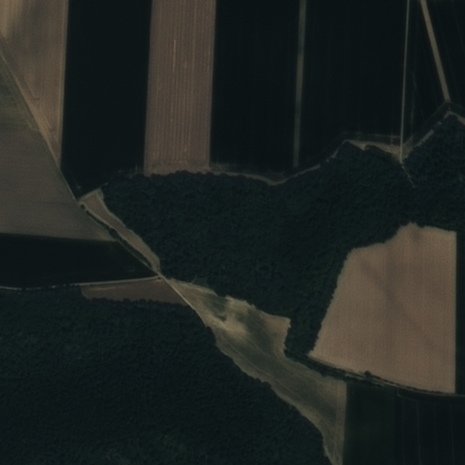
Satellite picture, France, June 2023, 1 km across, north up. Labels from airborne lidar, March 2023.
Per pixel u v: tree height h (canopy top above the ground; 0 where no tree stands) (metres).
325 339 0
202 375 19
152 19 0
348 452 0
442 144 10
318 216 17
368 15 0
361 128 0
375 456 0
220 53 0
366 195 19
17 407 18
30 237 0
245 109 0
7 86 0
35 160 0
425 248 0
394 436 0
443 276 0
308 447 21
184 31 0
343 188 15
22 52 0
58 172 0
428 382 0
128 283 0
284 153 0
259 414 20
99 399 15
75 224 0
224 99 0
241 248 21
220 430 19
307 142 0
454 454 0
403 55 0
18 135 0
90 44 0
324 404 0
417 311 0
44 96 0
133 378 18
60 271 0
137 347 19
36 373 15
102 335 14
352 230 23
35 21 0
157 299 0
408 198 12
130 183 17
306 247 18
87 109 0
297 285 22
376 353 0
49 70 0
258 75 0
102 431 16
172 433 13
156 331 25
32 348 17
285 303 19
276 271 17
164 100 0
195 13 0
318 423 0
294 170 0
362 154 21
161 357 21
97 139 0
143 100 0
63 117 0
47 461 19
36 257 0
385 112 0
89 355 13
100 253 0
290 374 0
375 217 24
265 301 20
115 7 0
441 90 0
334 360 0
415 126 0
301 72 0
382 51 0
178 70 0
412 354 0
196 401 16
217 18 0
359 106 0
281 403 16
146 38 0
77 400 18
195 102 0
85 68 0
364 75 0
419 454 0
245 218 20
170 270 16
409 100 0
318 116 0
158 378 20
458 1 0
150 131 0
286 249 15
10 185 0
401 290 0
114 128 0
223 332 0
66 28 0
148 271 0
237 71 0
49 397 20
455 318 0
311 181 16
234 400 16
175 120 0
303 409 0
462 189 22
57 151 0
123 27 0
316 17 0
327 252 23
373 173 24
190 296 0
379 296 0
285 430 16
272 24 0
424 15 0
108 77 0
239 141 0
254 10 0
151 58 0
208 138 0
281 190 20
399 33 0
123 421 15
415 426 0
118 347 10
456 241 0
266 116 0
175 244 21
